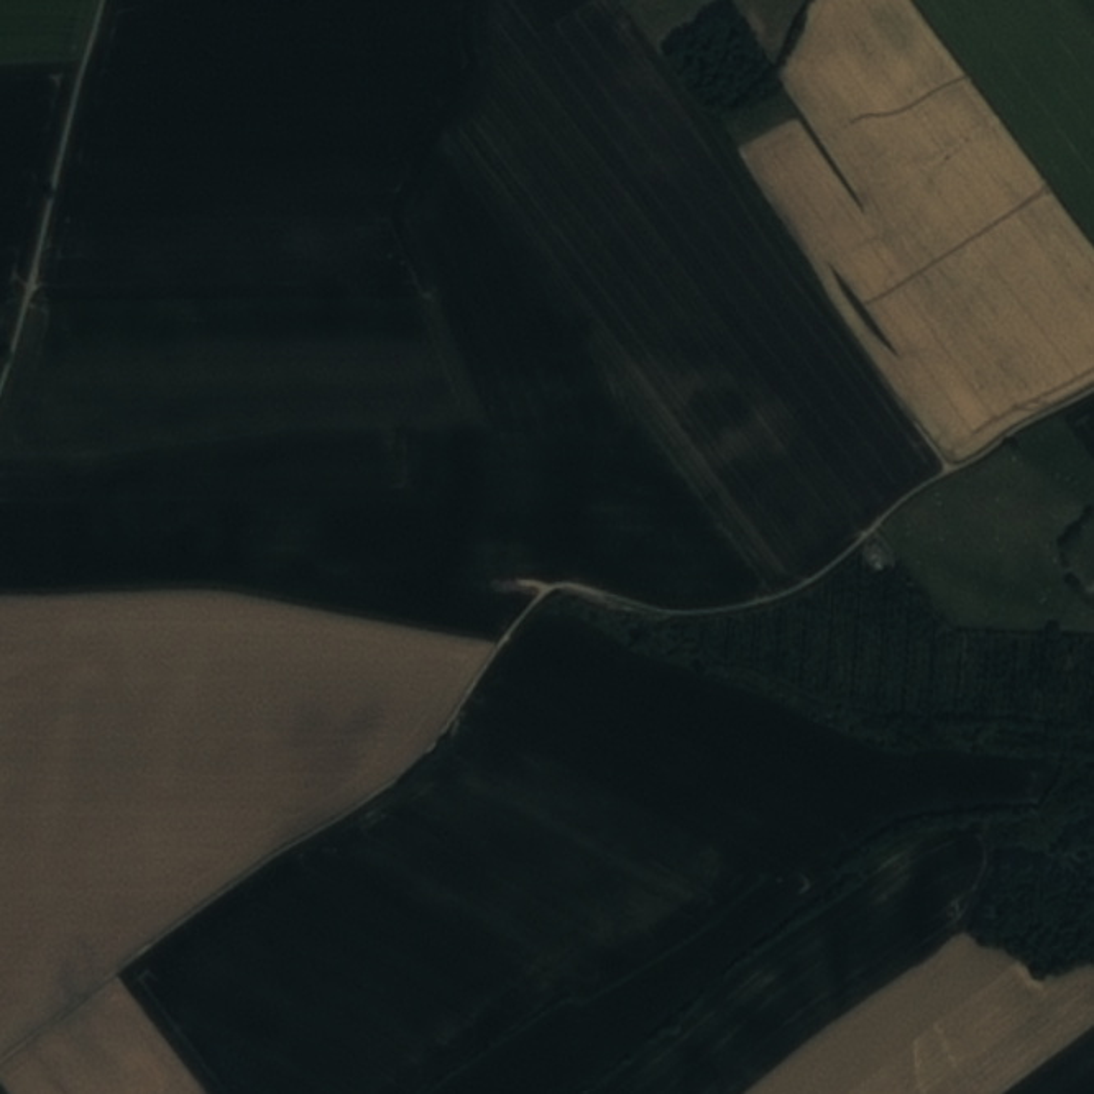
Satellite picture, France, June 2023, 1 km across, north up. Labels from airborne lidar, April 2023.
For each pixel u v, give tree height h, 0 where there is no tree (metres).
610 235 0
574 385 0
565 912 0
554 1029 0
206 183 0
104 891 0
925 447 0
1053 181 0
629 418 0
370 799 0
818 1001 0
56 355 0
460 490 0
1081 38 0
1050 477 0
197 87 0
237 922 0
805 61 0
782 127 0
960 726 7
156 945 0
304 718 0
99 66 0
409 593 0
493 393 0
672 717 0
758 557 0
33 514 0
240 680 0
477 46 0
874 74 0
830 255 0
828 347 0
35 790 0
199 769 0
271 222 0
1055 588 0
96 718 0
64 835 0
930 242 0
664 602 0
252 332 0
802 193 0
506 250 0
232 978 0
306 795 0
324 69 0
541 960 0
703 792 0
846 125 0
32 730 0
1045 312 0
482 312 0
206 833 0
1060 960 22
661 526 0
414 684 0
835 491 0
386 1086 0
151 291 0
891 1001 0
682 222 0
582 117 0
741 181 0
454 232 0
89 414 0
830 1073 0
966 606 0
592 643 0
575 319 0
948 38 0
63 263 0
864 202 0
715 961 0
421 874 0
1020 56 0
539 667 0
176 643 0
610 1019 0
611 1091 0
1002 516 0
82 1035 0
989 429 0
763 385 0
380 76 0
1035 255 0
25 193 0
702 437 0
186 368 0
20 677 0
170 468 0
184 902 0
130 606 0
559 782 0
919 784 0
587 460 0
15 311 0
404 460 0
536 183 0
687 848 0
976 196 0
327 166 0
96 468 0
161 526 0
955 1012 0
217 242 0
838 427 0
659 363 0
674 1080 0
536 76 0
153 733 0
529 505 0
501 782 0
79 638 0
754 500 0
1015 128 0
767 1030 0
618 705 0
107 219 0
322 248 0
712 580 0
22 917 0
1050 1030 0
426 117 0
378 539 0
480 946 0
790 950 0
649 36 0
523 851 0
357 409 0
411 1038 0
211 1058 0
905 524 0
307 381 0
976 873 0
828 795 0
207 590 0
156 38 0
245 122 0
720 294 0
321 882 0
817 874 0
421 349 0
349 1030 0
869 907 0
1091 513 9
